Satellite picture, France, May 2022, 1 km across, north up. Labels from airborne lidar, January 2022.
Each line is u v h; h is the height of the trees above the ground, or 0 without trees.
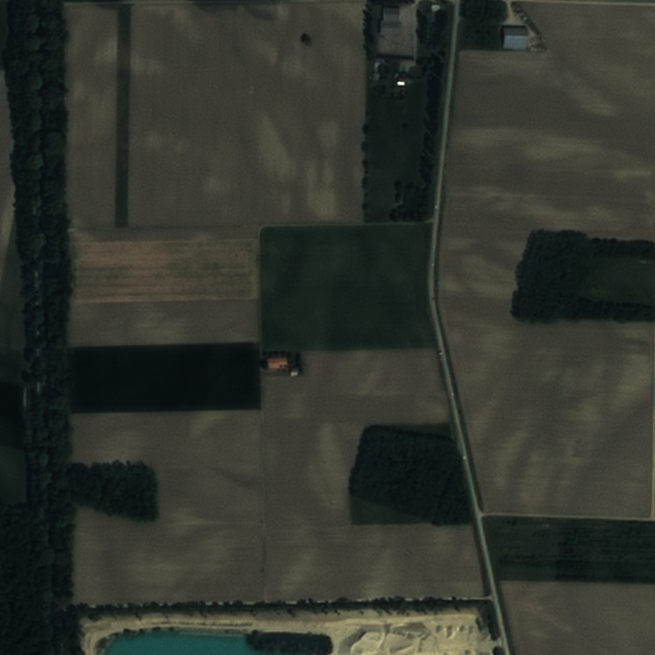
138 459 0
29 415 17
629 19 0
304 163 0
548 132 0
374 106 0
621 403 0
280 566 0
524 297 20
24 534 20
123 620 0
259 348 0
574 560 0
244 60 0
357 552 0
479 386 0
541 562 0
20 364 0
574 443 0
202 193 0
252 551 0
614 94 0
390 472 10
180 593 0
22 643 20
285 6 0
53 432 18
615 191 0
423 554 0
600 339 0
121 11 0
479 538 0
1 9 0
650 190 0
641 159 0
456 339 0
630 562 0
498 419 0
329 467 0
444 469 12
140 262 0
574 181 0
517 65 0
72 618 18
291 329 0
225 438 0
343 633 0
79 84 0
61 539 31
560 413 0
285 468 0
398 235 0
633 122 0
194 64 0
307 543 0
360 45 0
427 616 0
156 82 0
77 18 0
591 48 0
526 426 0
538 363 0
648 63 0
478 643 0
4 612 19
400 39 0
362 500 13
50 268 19
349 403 0
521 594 0
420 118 0
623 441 0
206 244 0
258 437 0
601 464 0
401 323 0
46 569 26
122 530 0
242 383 0
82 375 0
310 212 0
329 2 0
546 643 0
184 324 0
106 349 0
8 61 27
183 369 0
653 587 0
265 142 0
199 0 0
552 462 0
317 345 0
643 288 0
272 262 0
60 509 26
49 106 19
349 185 0
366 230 0
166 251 0
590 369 0
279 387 0
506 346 0
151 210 0
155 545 0
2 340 0
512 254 0
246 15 0
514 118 0
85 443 0
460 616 0
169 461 0
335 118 0
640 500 0
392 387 0
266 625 0
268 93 0
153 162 0
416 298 0
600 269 0
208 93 0
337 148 0
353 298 0
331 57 0
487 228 0
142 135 0
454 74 0
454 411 0
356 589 0
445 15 8
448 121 0
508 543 0
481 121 0
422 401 0
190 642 0
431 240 0
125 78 0
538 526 0
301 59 0
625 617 0
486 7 20
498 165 0
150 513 16
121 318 0
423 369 0
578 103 0
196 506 0
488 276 0
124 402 0
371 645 0
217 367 0
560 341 0
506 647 0
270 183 0
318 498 0
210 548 0
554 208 0
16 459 0
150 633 0
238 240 0
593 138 0
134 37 0
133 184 0
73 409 0
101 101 0
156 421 0
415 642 0
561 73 0
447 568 0
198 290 0
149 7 0
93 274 0
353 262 0
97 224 0
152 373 0
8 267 0
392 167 0
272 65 0
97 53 0
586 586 0
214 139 0
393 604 8
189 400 0
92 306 0
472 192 0
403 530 0
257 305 0
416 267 0
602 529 0
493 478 0
